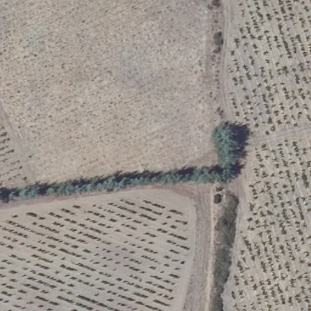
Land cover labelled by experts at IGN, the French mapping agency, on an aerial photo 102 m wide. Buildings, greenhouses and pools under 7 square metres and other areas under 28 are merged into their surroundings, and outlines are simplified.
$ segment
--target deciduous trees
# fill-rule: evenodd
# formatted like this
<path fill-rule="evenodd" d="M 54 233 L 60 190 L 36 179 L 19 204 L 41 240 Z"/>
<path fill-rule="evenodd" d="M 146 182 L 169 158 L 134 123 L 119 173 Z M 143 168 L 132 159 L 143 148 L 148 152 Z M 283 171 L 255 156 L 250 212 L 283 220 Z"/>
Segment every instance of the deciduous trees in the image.
<path fill-rule="evenodd" d="M 237 141 L 230 138 L 233 123 L 226 121 L 217 125 L 211 135 L 217 153 L 216 165 L 222 168 L 217 182 L 227 183 L 236 179 L 231 171 L 231 165 L 241 164 L 242 159 L 232 153 L 233 149 L 238 149 Z"/>

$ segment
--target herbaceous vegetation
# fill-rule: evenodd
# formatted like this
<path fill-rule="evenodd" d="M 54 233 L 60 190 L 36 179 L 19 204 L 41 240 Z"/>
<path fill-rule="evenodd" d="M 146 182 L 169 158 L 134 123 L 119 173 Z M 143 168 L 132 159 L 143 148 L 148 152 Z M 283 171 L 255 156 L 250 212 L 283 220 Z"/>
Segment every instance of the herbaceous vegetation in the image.
<path fill-rule="evenodd" d="M 226 193 L 230 191 L 227 183 L 217 182 L 157 182 L 152 185 L 157 190 L 166 188 L 194 200 L 196 208 L 196 251 L 182 311 L 210 311 L 211 287 L 214 284 L 215 226 L 224 215 L 224 209 L 228 207 L 230 200 Z"/>

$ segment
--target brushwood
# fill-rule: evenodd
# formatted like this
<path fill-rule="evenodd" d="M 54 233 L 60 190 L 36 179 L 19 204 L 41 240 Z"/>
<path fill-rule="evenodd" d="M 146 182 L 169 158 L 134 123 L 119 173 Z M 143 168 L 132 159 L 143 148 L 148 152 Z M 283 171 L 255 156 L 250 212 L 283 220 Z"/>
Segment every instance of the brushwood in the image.
<path fill-rule="evenodd" d="M 236 194 L 230 191 L 226 193 L 230 200 L 228 207 L 224 209 L 224 215 L 215 226 L 214 284 L 211 287 L 210 311 L 224 311 L 222 293 L 230 277 L 231 251 L 236 237 L 239 204 Z"/>
<path fill-rule="evenodd" d="M 21 188 L 0 186 L 0 205 L 13 202 L 16 197 L 27 200 L 50 194 L 60 197 L 103 190 L 118 192 L 125 190 L 126 187 L 152 185 L 157 182 L 217 182 L 222 168 L 216 165 L 202 168 L 191 166 L 169 171 L 145 170 L 142 173 L 134 171 L 126 174 L 117 171 L 104 177 L 58 183 L 36 182 L 34 185 Z"/>

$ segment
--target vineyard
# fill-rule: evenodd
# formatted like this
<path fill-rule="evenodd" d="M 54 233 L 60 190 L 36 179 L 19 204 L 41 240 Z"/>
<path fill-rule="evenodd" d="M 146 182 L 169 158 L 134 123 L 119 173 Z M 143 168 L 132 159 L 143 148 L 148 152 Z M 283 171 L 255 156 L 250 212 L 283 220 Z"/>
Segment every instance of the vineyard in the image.
<path fill-rule="evenodd" d="M 226 121 L 233 123 L 230 138 L 237 141 L 238 149 L 233 149 L 232 153 L 242 159 L 241 164 L 231 165 L 231 171 L 236 179 L 227 183 L 230 191 L 236 194 L 239 204 L 236 237 L 231 251 L 230 277 L 222 293 L 224 311 L 311 311 L 311 0 L 0 0 L 0 186 L 21 188 L 34 185 L 36 182 L 58 183 L 104 177 L 117 171 L 126 174 L 134 171 L 142 173 L 145 170 L 169 171 L 191 166 L 202 168 L 216 165 L 217 153 L 211 135 L 217 125 Z"/>
<path fill-rule="evenodd" d="M 126 187 L 125 190 L 118 192 L 103 190 L 60 197 L 50 194 L 27 200 L 16 197 L 13 202 L 0 205 L 0 311 L 182 311 L 196 251 L 196 208 L 194 200 L 166 188 L 157 190 L 152 185 Z"/>

